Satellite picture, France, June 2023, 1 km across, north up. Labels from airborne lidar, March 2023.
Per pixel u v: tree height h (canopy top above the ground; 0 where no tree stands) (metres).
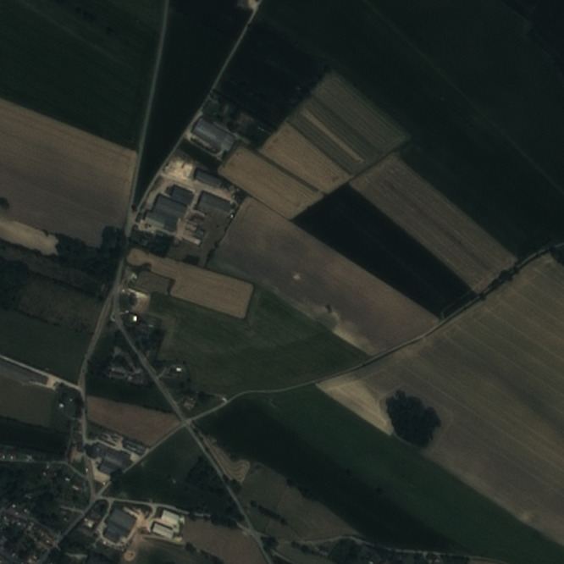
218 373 0
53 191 0
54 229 0
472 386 0
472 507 0
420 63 0
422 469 0
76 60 0
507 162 0
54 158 0
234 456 0
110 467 0
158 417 0
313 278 0
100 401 0
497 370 0
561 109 0
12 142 0
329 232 0
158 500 0
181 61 0
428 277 0
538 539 0
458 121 0
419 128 0
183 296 0
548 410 0
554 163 0
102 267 11
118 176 0
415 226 0
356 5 0
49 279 6
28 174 0
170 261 0
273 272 0
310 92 13
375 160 0
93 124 0
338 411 0
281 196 0
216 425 0
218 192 0
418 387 0
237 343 0
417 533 0
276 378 0
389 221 0
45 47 0
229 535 0
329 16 0
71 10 0
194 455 0
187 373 0
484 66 0
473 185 0
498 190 0
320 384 0
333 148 0
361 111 0
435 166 0
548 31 0
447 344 0
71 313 0
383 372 0
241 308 0
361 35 0
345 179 0
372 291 0
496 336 0
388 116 0
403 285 0
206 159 0
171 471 0
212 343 0
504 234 0
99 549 0
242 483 0
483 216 0
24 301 0
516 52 0
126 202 0
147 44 0
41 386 0
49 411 0
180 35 0
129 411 0
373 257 0
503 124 0
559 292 0
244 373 0
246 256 0
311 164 0
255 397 0
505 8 0
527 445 0
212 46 0
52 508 0
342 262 0
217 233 0
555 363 0
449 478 0
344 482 0
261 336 0
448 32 0
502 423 0
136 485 0
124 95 0
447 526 0
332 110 0
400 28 0
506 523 0
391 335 0
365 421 0
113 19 0
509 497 0
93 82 0
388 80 0
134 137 0
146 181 0
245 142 0
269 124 6
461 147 0
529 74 0
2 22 0
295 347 0
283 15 0
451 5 0
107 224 0
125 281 0
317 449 0
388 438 0
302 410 0
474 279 0
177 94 0
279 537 0
